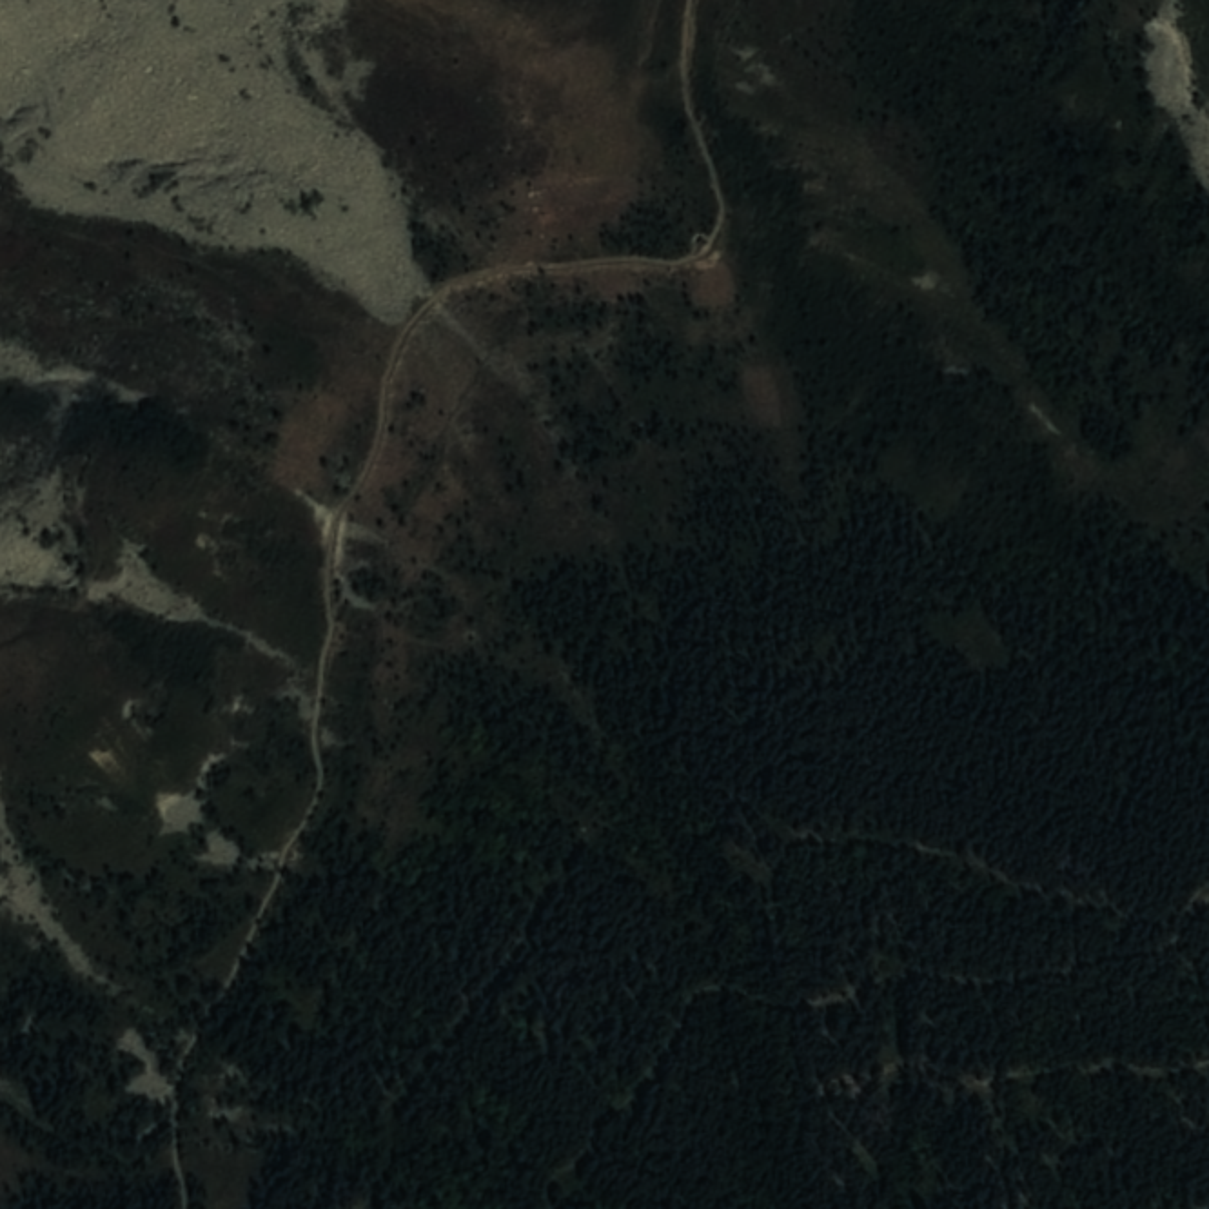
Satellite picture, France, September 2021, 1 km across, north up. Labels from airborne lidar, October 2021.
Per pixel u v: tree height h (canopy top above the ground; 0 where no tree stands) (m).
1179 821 20
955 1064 20
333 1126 11
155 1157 14
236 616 0
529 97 0
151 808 0
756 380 0
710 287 0
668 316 0
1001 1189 11
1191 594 18
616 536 0
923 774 20
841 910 20
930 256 0
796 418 0
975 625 0
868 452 12
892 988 16
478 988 25
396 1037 17
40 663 0
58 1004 13
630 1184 26
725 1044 14
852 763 24
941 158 8
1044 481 7
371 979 9
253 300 0
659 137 0
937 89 6
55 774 0
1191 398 9
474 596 0
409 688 0
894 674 21
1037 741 17
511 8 0
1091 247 11
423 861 6
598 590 13
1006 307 7
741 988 9
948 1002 13
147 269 0
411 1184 10
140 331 0
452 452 0
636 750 9
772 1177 15
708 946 10
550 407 0
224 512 0
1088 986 17
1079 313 14
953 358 0
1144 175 7
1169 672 12
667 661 12
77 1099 15
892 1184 12
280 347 0
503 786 10
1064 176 6
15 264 0
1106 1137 18
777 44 0
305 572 0
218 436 0
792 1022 20
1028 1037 19
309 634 0
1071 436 0
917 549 10
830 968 22
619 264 0
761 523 13
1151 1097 11
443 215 0
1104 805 18
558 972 29
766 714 23
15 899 0
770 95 0
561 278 0
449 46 0
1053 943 18
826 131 0
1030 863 23
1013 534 7
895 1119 11
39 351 0
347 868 11
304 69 0
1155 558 6
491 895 15
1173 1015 11
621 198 0
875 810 21
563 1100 20
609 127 0
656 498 0
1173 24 0
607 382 0
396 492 0
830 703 20
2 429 0
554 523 0
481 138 0
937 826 23
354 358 0
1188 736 18
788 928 17
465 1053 14
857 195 0
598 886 22
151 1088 0
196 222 0
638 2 0
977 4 9
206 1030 18
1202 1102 19
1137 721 19
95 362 0
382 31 0
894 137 0
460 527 9
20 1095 0
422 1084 13
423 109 0
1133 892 20
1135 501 0
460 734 8
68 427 0
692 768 25
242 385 0
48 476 0
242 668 0
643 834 11
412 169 0
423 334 0
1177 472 0
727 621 13
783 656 18
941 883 10
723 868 12
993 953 18
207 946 13
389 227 0
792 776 24
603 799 12
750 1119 14
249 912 12
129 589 0
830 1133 20
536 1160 12
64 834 0
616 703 10
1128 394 9
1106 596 10
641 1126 26
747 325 0
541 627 10
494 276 0
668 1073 26
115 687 0
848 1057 24
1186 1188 24
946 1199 9
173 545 0
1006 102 10
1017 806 19
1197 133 0
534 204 0
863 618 15
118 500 0
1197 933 20
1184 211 7
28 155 0
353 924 13
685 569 6
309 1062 25
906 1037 23
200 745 0
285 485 0
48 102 0
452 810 8
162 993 14
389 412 0
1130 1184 25
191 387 0
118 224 0
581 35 0
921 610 7
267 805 0
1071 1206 11
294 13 0
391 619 8
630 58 0
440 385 0
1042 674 14
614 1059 22
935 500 0
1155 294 10
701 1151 16
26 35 0
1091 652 13
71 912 0
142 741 0
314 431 0
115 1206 9
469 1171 11
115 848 0
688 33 0
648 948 22
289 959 11
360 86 0
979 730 21
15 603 0
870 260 0
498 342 0
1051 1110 9
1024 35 12
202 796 10
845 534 17
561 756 12
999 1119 14
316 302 0
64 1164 14
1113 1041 15
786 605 10
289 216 0
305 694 0
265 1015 15
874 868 17
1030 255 7
